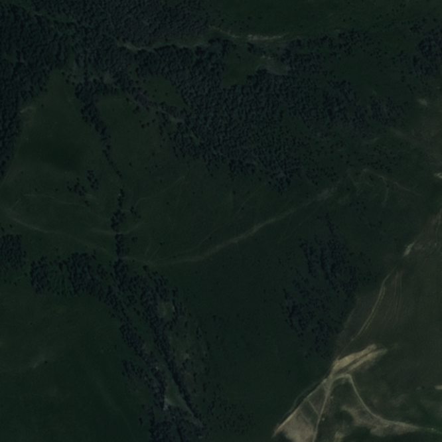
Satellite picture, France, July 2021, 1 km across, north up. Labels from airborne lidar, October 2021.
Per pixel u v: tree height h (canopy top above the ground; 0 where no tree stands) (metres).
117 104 0
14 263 14
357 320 0
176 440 9
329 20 0
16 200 0
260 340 0
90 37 23
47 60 22
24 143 0
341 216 0
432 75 7
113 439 0
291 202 0
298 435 0
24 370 0
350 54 10
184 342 0
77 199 0
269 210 0
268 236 0
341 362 0
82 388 0
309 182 0
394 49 0
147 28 19
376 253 0
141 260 0
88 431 0
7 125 13
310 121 10
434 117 0
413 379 0
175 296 8
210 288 0
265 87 11
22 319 0
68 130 0
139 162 0
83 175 0
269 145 8
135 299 16
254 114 8
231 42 17
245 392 0
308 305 7
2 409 0
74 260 12
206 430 7
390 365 0
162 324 11
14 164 0
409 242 0
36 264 14
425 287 0
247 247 0
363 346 0
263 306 0
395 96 0
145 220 0
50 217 0
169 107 13
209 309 0
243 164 22
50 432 0
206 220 0
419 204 0
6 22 34
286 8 0
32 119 0
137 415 0
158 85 0
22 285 0
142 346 9
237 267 0
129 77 13
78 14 16
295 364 0
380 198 0
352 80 0
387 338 0
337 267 8
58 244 0
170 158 0
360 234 0
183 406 0
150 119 0
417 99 0
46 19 17
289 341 0
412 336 0
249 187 0
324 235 0
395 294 0
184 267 0
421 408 0
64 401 0
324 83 0
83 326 0
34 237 0
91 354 0
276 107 12
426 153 0
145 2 16
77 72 0
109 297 12
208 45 0
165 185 0
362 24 0
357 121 9
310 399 0
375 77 0
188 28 14
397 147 0
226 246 0
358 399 0
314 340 0
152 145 0
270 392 0
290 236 0
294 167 11
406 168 0
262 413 0
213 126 16
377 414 0
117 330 0
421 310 0
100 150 0
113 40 23
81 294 8
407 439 0
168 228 0
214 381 0
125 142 0
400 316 0
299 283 7
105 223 0
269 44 0
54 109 0
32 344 0
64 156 0
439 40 7
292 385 0
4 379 0
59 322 0
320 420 0
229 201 0
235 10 0
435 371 0
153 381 13
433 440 0
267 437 0
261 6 0
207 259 0
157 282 15
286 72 0
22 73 24
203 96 17
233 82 0
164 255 0
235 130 13
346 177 0
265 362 0
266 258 0
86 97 19
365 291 0
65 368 0
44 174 0
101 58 29
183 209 0
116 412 0
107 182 0
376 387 0
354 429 0
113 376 0
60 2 13
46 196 0
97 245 0
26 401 0
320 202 0
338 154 0
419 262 0
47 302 0
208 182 0
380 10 0
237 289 0
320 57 11
